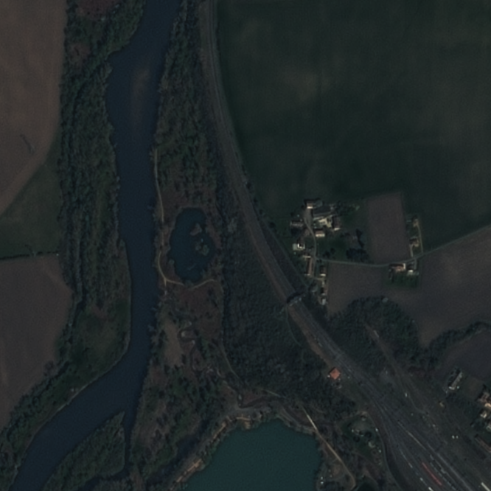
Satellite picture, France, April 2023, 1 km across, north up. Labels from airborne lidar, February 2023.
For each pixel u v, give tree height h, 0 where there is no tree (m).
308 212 0
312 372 15
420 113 0
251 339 7
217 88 0
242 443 0
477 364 0
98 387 0
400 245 0
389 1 0
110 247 23
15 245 0
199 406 12
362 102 0
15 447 17
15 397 0
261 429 0
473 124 0
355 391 0
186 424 9
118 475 0
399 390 0
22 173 0
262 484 0
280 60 0
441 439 0
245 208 0
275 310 8
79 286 27
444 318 0
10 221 0
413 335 10
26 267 0
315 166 0
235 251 11
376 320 21
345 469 0
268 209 0
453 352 0
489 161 0
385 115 0
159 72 0
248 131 0
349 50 0
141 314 0
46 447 0
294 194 0
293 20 0
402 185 0
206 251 9
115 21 23
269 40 0
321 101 0
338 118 0
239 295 16
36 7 0
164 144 13
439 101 0
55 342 0
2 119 0
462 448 0
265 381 16
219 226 16
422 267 0
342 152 0
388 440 0
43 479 0
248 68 0
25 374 0
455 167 0
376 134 0
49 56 0
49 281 0
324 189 0
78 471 12
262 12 0
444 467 0
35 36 0
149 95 0
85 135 18
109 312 16
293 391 10
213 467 0
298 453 0
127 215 0
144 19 0
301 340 6
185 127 21
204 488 0
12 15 0
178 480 0
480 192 0
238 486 0
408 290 0
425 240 0
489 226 0
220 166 18
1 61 0
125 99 0
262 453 0
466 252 0
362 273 0
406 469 0
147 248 0
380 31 0
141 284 0
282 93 0
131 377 0
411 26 0
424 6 0
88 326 0
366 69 0
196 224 10
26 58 0
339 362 0
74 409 0
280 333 9
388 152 0
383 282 0
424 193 0
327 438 26
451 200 0
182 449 0
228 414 0
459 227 0
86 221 24
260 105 0
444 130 0
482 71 0
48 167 0
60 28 0
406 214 0
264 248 0
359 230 0
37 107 0
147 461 21
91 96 29
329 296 0
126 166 0
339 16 0
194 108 34
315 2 0
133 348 0
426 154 0
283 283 0
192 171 21
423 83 0
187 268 0
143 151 0
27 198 0
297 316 0
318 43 0
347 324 7
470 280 0
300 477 0
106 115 15
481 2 0
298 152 0
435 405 0
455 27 0
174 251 0
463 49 0
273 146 0
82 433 0
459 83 0
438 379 0
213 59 0
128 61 0
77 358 0
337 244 0
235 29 0
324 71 0
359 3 0
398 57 0
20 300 0
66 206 6
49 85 0
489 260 0
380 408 0
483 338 0
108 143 15
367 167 0
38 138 0
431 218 0
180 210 13
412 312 0
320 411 35
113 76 0
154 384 12
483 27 0
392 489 23
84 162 25
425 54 0
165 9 0
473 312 0
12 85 0
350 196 0
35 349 0
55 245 0
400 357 20
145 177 0
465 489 0
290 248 0
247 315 16
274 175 0
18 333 0
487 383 0
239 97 0
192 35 15
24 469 0
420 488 0
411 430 0
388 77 0
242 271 11
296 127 0
